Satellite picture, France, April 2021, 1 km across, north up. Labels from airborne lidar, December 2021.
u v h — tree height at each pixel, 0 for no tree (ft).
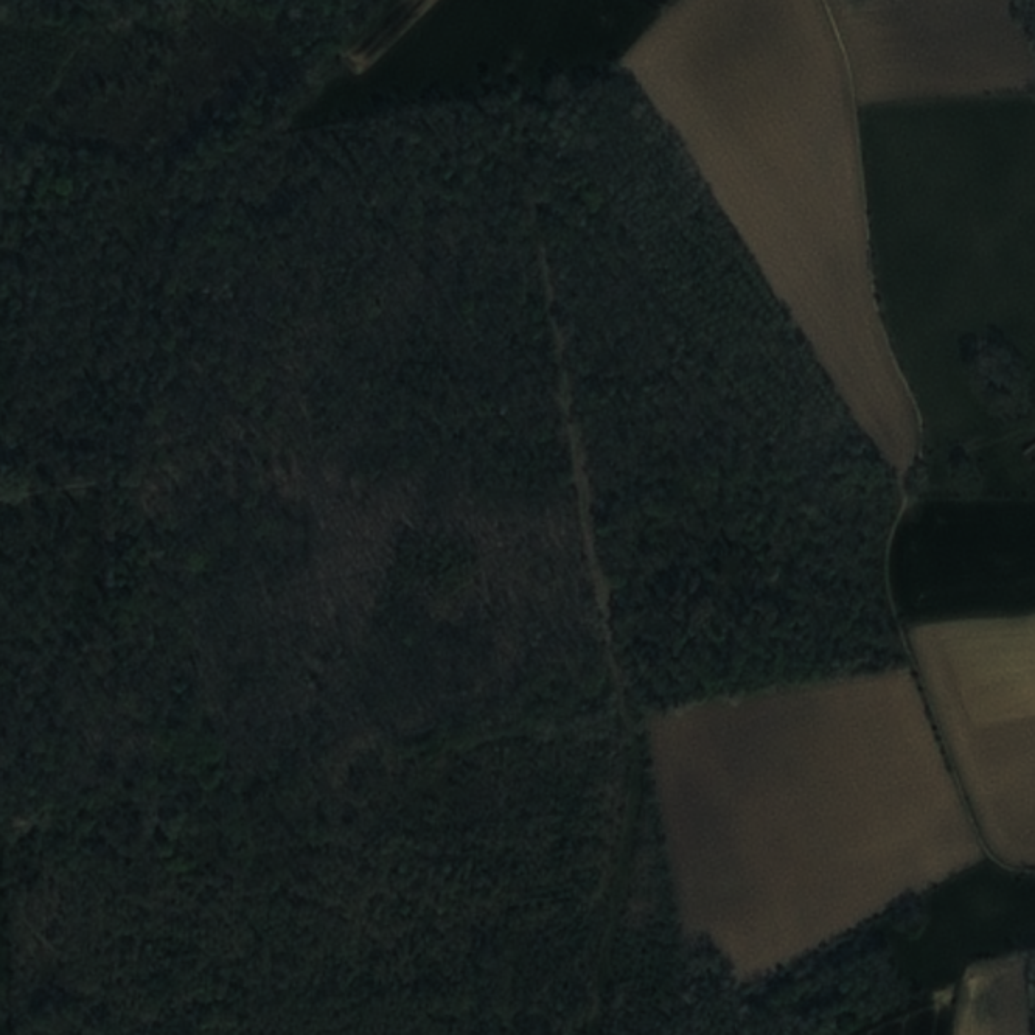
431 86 0
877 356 0
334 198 79
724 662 80
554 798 44
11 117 37
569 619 74
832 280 0
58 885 70
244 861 83
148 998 56
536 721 60
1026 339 0
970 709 0
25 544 68
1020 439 0
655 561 87
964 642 0
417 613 78
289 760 76
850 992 72
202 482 87
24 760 77
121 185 107
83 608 94
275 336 94
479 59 0
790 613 87
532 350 74
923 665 0
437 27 0
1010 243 0
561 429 82
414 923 34
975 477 61
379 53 0
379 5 82
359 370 93
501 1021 60
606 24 0
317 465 81
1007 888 0
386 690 89
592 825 55
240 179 94
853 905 0
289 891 36
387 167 93
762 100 0
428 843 37
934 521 0
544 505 75
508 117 60
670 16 0
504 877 64
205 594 75
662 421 88
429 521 79
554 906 33
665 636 78
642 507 85
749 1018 109
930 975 0
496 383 81
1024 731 0
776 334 91
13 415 64
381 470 42
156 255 71
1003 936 0
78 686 99
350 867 75
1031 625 0
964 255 0
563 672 92
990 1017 0
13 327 88
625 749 37
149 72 86
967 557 0
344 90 0
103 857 84
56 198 62
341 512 86
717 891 0
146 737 87
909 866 0
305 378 76
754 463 76
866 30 0
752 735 0
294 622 72
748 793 0
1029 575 0
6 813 68
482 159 36
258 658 56
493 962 81
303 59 80
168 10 91
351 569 84
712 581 38
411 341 93
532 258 73
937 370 0
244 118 76
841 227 0
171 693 79
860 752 0
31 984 31
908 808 0
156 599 83
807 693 0
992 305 0
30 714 74
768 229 0
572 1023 80
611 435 81
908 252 0
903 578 0
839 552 92
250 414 94
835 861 0
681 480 20
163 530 76
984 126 0
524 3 0
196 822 88
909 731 0
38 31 34
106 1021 56
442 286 89
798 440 80
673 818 0
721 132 0
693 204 72
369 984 54
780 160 0
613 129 79
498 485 77
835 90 0
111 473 86
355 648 85
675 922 28
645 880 30
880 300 37
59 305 85
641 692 77
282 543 65
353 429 83
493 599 67
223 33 21
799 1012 93
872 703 0
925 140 0
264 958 77
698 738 0
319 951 59
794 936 0
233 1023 58
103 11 63
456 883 77
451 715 75
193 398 84
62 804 51
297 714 73
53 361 91
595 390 68
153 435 98
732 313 91
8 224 72
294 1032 68
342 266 82
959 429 0
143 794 87
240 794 102
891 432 0
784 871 0
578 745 37
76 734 91
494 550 67
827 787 0
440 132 83
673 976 43
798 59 0
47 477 55
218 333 76
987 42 0
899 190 0
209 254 79
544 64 0
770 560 26
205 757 78
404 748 75
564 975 64
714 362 83
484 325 80
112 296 55
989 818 0
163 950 33
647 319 84
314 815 96
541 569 59
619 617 70
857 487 72
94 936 78
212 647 79
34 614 76
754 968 0
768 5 0
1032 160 0
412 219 79
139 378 91
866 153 0
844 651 89
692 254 68
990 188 0
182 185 36
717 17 0
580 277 86
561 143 80
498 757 37
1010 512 0
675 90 0
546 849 42
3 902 30
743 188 0
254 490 74
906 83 0
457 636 84
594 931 20
